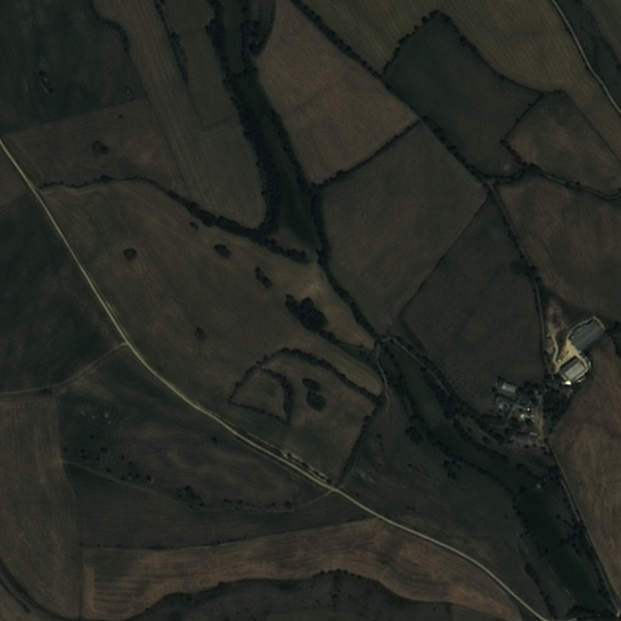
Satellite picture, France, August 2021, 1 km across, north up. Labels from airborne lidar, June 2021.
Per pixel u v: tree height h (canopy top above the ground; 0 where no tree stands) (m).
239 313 0
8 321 0
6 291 0
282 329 0
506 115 0
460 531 0
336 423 0
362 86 0
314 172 0
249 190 0
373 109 0
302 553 0
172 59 0
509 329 0
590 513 0
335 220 0
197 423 0
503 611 0
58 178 0
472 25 0
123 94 0
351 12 0
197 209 13
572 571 0
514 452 0
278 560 0
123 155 0
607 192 0
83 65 0
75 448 0
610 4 0
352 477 0
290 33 0
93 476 0
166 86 0
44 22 0
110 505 0
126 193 0
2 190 0
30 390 0
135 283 0
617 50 0
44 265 0
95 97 0
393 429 0
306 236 0
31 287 0
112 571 0
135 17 0
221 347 0
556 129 0
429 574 0
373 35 0
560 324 0
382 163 0
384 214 0
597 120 0
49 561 0
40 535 0
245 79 10
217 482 0
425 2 0
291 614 0
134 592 0
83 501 0
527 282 0
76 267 0
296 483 0
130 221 0
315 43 0
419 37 0
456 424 9
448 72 0
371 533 0
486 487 0
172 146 0
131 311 0
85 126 0
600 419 0
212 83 0
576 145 0
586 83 0
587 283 0
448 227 0
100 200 0
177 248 0
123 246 0
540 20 0
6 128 0
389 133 0
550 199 0
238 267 0
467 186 0
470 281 0
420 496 0
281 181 16
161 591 0
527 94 0
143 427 0
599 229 0
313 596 0
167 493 0
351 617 0
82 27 0
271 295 0
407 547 0
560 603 0
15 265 0
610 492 0
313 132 0
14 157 0
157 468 0
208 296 0
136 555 0
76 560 0
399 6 0
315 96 0
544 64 0
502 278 0
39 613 0
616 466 0
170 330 0
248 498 0
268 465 0
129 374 0
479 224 0
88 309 0
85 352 0
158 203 0
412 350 13
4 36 0
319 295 0
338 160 0
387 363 0
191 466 0
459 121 0
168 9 0
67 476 0
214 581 0
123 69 0
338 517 0
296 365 0
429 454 0
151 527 0
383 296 0
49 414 0
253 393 0
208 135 0
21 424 0
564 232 0
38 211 0
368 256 0
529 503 0
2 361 0
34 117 0
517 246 8
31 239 0
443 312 0
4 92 0
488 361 0
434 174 0
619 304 0
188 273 0
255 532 0
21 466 0
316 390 8
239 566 0
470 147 0
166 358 0
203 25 0
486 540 0
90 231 0
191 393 0
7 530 0
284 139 13
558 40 0
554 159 0
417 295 0
